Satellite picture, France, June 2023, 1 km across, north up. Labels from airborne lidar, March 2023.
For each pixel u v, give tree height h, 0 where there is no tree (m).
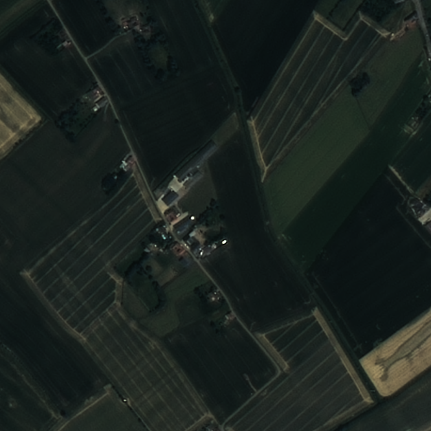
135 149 0
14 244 0
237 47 0
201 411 0
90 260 0
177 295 0
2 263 0
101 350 0
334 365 0
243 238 0
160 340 0
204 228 0
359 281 0
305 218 0
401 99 0
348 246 0
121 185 0
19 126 0
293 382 0
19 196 0
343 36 0
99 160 0
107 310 0
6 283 0
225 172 0
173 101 0
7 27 0
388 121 0
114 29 19
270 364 0
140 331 0
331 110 0
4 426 0
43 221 0
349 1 0
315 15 0
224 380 0
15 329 0
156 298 0
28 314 0
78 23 0
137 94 0
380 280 0
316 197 0
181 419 0
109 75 0
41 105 0
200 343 0
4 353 0
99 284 0
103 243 0
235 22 0
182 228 0
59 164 0
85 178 0
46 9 0
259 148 0
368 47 0
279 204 0
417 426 0
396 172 0
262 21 0
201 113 0
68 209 0
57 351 0
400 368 0
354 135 0
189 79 0
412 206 0
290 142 0
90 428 0
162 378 0
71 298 0
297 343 0
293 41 0
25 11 0
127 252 0
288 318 0
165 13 0
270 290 0
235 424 0
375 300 0
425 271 0
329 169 0
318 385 0
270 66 0
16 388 0
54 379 0
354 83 13
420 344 0
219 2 0
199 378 0
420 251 0
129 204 0
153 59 0
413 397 0
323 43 0
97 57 0
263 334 0
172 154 0
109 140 0
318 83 0
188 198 0
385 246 0
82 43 0
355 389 0
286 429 0
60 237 0
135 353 0
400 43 0
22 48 0
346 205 0
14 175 0
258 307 0
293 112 0
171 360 0
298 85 0
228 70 0
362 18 0
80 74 0
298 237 0
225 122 0
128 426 0
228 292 0
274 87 0
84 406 0
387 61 0
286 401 0
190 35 0
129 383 0
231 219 0
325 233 0
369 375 0
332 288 0
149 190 0
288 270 0
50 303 0
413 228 0
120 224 0
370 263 0
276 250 0
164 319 0
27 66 0
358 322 0
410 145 0
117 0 0
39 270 0
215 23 0
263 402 0
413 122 0
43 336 0
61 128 11
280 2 0
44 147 0
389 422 0
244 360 0
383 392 0
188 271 0
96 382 0
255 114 0
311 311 0
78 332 0
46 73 0
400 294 0
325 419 0
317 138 0
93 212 0
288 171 0
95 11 0
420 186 0
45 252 0
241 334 0
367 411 0
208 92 0
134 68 0
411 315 0
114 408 0
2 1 0
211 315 0
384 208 0
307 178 0
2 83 0
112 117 0
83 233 0
